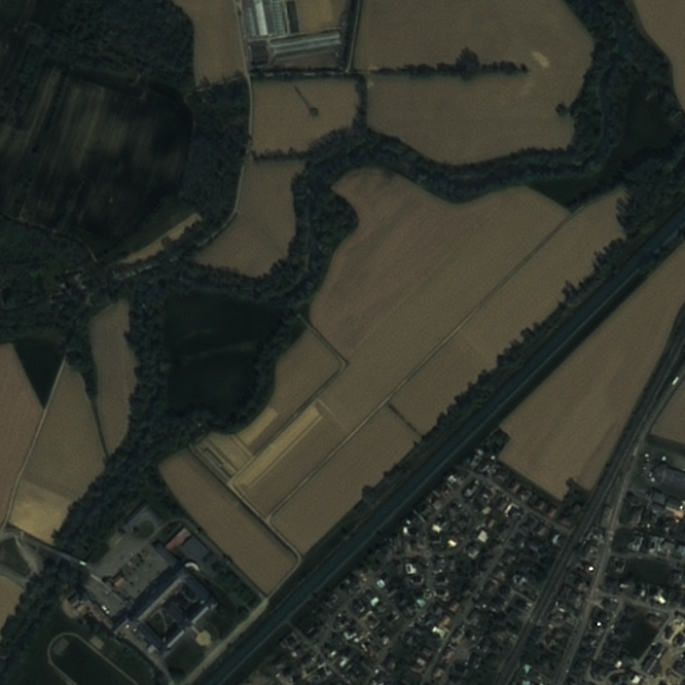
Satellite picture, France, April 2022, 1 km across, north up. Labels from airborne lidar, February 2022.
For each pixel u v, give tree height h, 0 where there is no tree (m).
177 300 0
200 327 0
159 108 0
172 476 0
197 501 0
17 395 0
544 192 0
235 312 0
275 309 0
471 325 0
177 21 22
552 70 0
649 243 0
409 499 0
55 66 0
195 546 0
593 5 25
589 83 17
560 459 0
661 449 0
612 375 0
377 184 0
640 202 19
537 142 0
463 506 0
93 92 0
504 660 0
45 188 0
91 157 0
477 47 0
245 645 0
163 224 0
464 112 0
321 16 0
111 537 0
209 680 0
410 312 0
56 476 0
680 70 0
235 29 0
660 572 0
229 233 0
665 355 0
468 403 21
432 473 0
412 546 0
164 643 0
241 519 0
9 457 0
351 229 20
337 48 0
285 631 0
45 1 0
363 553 0
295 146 0
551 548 8
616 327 0
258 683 0
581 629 0
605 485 0
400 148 16
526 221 0
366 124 18
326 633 0
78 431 0
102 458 0
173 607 0
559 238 0
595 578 0
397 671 7
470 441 0
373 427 0
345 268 0
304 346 0
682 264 0
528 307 0
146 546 0
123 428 0
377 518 0
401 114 0
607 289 0
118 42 10
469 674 0
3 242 7
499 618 10
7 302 17
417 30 0
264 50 0
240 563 0
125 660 0
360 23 0
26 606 17
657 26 0
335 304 0
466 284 0
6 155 0
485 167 10
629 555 0
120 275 16
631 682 0
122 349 0
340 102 0
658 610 0
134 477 22
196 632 0
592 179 0
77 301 23
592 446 0
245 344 0
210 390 0
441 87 0
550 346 0
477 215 0
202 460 0
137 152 0
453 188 17
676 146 17
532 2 0
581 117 17
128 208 0
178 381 0
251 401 20
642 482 0
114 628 0
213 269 13
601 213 0
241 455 0
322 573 0
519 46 0
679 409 0
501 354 0
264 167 0
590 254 0
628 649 0
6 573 0
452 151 0
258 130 0
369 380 0
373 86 0
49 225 0
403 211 0
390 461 0
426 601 0
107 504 17
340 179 0
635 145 0
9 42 0
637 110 0
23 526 0
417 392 0
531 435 0
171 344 0
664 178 28
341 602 0
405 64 0
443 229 0
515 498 0
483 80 0
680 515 0
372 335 0
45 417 0
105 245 0
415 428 0
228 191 22
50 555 0
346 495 0
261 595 0
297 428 0
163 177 0
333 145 19
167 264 14
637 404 0
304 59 0
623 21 15
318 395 0
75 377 0
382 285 0
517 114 0
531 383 0
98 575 0
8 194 0
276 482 0
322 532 0
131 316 8
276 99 0
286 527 0
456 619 0
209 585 11
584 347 0
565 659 0
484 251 0
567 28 0
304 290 20
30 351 0
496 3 0
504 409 0
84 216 0
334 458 0
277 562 0
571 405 0
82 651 0
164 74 7
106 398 0
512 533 0
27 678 0
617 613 0
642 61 23
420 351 0
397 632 0
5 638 12
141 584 0
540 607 0
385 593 0
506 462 0
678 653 0
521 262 0
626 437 0
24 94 12
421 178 16
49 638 0
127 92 0
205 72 0
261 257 0
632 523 0
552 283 0
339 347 0
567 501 6
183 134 0
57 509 0
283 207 0
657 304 0
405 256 0
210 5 0
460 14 0
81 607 0
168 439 21
